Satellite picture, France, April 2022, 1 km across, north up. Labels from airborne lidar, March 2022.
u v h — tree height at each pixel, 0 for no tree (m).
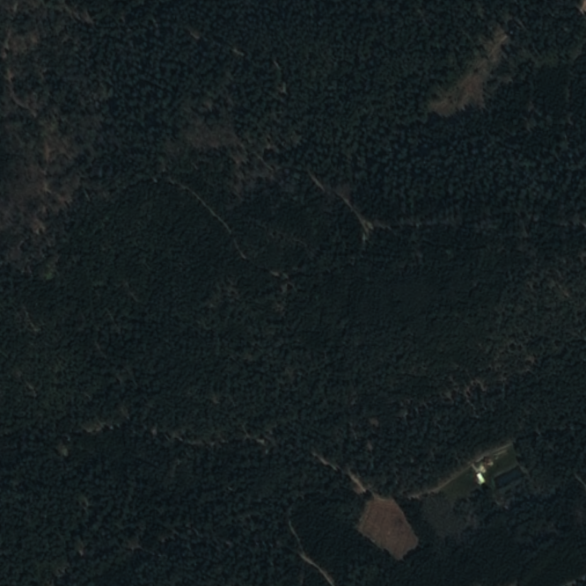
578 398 28
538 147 16
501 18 33
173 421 21
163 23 11
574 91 9
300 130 35
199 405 22
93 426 30
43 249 22
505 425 21
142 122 33
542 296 25
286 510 7
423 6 32
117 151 12
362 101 27
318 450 24
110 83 40
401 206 9
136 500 18
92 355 20
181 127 34
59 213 11
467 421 14
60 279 31
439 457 7
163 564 32
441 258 15
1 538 33
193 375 15
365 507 22
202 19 32
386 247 7
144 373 29
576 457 29
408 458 19
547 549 33
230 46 32
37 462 31
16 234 23
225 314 8
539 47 23
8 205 14
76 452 9
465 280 16
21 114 13
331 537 12
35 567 31
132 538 18
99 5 30
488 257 15
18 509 29
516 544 21
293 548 18
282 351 10
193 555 32
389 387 23
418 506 13
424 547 17
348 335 19
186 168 13
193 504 13
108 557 24
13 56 15
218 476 24
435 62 33
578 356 19
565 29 27
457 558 21
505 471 0
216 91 31
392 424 10
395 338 21
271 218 9
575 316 24
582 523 17
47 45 22
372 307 16
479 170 32
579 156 30
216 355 20
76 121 30
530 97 15
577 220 19
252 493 24
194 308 22
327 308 17
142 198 17
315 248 8
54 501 30
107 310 26
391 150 38
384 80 25
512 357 31
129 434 31
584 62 11
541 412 26
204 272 19
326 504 12
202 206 15
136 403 32
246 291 12
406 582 18
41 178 11
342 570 11
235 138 17
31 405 22
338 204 9
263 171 22
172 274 24
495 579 23
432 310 19
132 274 24
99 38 32
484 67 0
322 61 25
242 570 29
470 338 14
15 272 26
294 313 15
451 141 26
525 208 35
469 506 26
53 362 22
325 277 20
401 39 34
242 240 13
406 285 17
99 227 21
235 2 32
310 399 22
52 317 27
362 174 24
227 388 23
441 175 34
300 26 36
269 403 25
